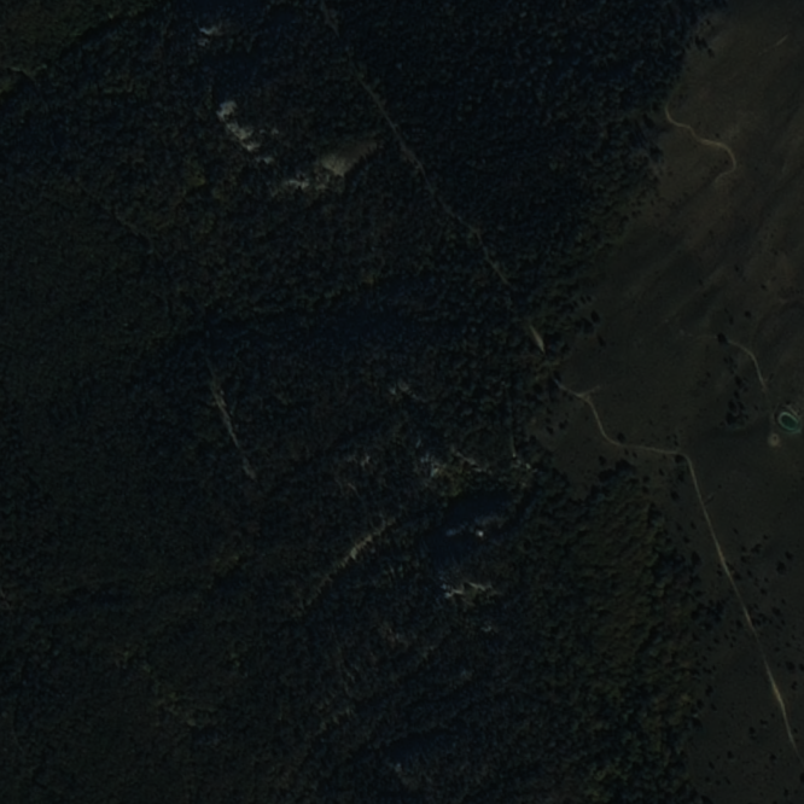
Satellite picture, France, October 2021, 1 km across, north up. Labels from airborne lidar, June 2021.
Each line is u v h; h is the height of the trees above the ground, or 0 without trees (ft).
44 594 57
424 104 28
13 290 61
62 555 73
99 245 68
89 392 69
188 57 63
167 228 46
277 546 52
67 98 74
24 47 81
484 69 43
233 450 76
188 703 53
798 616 0
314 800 37
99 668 53
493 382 34
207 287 62
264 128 30
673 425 0
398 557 108
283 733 54
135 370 73
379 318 44
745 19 0
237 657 32
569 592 58
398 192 36
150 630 59
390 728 66
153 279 65
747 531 0
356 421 53
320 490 43
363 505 36
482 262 38
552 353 36
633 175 31
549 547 48
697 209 0
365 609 53
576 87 32
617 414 0
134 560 73
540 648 52
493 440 41
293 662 54
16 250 65
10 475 62
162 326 66
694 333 0
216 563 41
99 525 68
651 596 44
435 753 22
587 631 53
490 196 41
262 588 46
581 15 21
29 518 69
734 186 0
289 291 65
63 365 59
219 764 49
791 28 0
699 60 0
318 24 24
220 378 62
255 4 44
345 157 0
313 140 39
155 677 52
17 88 43
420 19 31
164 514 67
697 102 0
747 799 0
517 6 36
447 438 45
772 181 0
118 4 76
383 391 67
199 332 53
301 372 42
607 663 69
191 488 66
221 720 60
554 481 35
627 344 0
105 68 71
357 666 31
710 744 0
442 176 31
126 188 63
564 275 50
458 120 43
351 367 63
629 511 49
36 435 69
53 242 62
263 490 52
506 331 45
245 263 62
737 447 0
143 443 64
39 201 69
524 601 52
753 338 0
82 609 59
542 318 29
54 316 76
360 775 71
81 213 70
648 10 33
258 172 32
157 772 55
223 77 60
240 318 68
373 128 47
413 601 60
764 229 0
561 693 67
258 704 63
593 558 52
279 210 60
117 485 66
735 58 0
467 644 65
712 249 0
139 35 76
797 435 0
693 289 0
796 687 20
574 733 52
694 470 0
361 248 51
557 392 42
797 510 0
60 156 69
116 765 58
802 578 0
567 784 68
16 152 73
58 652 57
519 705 65
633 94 32
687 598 49
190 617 63
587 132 40
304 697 63
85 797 50
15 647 64
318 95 47
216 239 56
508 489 47
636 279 0
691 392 0
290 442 42
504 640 40
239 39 63
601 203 45
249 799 49
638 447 0
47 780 63
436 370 37
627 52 32
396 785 56
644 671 73
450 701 49
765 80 0
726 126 0
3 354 64
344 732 40
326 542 54
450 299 49
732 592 0
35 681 53
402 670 41
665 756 62
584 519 46
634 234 0
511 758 86
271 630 50
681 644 72
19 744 33
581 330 34
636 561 59
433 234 23
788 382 0
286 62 46
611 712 70
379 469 36
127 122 68
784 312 0
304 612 40
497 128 35
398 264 51
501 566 64
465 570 37
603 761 78
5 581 68
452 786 28
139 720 46
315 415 35
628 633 63
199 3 30
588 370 0
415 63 37
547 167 37
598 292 0
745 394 31
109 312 69
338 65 44
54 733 51
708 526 0
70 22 79
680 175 0
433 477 26
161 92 65
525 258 28
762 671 0
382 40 54
